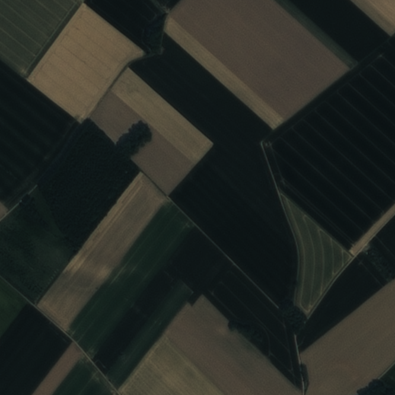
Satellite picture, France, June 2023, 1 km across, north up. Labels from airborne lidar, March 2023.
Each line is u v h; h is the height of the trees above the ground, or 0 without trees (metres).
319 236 0
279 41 0
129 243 0
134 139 25
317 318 0
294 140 0
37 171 0
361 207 0
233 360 0
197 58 0
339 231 0
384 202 0
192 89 0
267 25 0
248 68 0
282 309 22
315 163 0
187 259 0
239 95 0
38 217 11
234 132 0
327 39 0
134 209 0
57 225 9
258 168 0
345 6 0
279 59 0
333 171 0
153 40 22
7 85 0
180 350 0
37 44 0
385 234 0
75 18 0
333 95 0
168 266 0
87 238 7
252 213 0
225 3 0
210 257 0
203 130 0
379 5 0
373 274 0
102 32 0
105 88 0
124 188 7
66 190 13
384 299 0
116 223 0
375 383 12
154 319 0
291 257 0
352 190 0
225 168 0
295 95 0
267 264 0
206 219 0
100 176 11
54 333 0
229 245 0
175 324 0
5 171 0
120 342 0
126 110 0
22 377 0
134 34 0
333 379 0
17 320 0
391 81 0
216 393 0
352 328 0
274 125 0
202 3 0
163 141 0
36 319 0
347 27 0
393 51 0
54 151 0
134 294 0
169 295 0
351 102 0
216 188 0
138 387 0
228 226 0
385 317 0
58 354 0
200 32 0
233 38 0
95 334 0
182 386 0
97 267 0
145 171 0
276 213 0
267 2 0
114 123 0
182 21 0
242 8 0
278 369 0
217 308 0
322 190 0
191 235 0
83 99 0
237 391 0
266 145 0
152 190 0
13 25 0
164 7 0
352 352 0
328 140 0
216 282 0
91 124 19
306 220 0
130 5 0
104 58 0
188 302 0
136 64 0
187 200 0
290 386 0
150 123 0
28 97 0
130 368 0
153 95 0
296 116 0
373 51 0
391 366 0
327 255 0
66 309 0
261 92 0
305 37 0
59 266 0
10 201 0
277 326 0
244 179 0
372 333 0
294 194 0
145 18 0
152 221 0
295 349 0
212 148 0
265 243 0
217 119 0
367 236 0
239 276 0
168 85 0
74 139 15
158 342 0
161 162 0
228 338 0
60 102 0
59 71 0
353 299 0
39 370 0
